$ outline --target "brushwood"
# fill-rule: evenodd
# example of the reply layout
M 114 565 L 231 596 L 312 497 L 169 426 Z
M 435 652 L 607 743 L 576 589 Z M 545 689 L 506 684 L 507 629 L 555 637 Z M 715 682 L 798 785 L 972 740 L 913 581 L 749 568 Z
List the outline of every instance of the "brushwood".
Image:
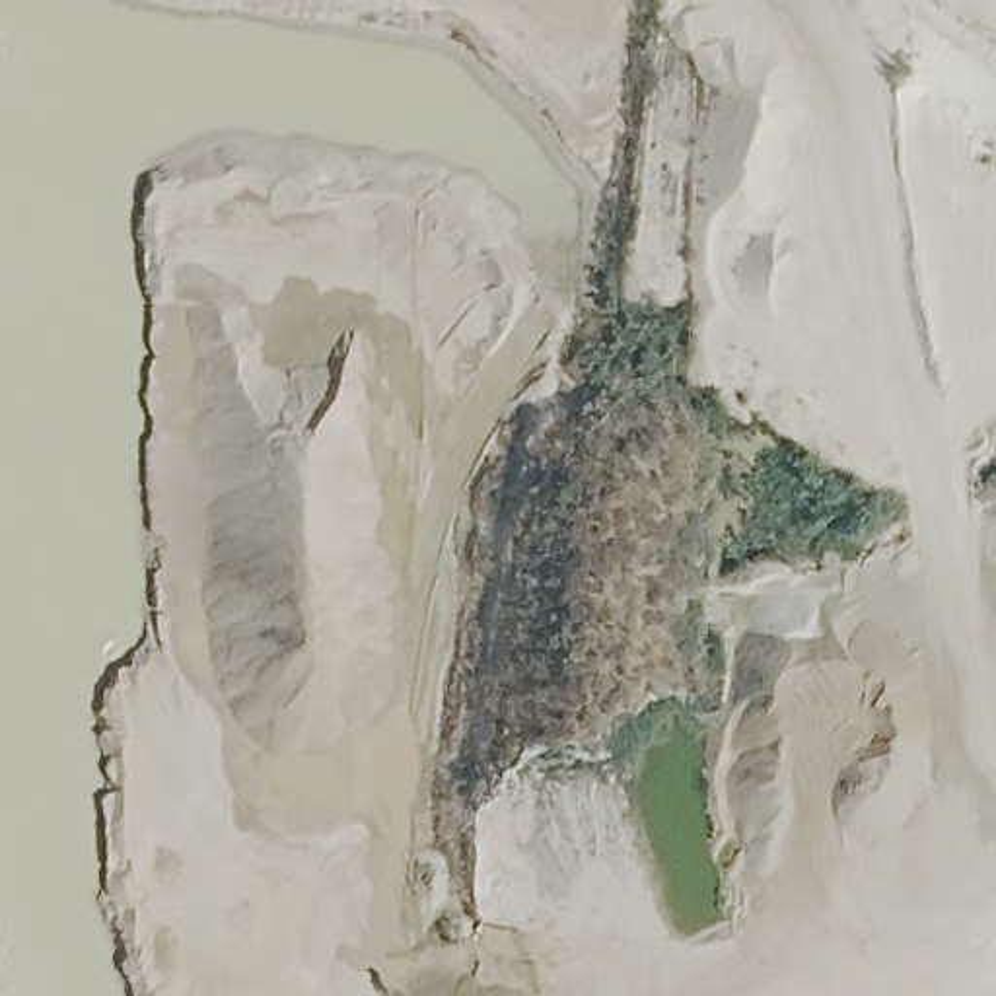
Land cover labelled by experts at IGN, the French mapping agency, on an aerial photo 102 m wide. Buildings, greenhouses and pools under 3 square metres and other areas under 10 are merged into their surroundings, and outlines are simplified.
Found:
M 646 770 L 646 759 L 658 747 L 681 735 L 704 739 L 708 731 L 696 720 L 704 712 L 720 712 L 724 700 L 724 638 L 712 630 L 712 623 L 704 623 L 704 603 L 696 599 L 685 607 L 685 615 L 665 615 L 661 626 L 673 630 L 673 642 L 685 658 L 689 696 L 661 696 L 615 728 L 607 743 L 615 759 L 615 778 L 626 790 Z
M 693 409 L 704 416 L 712 436 L 763 436 L 770 444 L 766 451 L 759 451 L 751 471 L 731 471 L 731 455 L 724 455 L 720 490 L 728 498 L 751 498 L 751 510 L 739 510 L 739 521 L 724 529 L 724 576 L 735 576 L 759 560 L 813 560 L 817 572 L 825 564 L 825 552 L 836 552 L 844 560 L 872 556 L 872 533 L 907 517 L 907 498 L 899 490 L 872 490 L 852 471 L 821 463 L 813 451 L 782 436 L 763 416 L 735 420 L 720 405 L 720 393 L 712 385 L 689 381 L 696 323 L 693 300 L 677 300 L 665 307 L 626 300 L 626 253 L 638 226 L 634 179 L 642 156 L 646 97 L 654 93 L 650 39 L 661 19 L 661 0 L 630 0 L 623 62 L 623 136 L 611 156 L 611 179 L 603 183 L 591 241 L 591 253 L 599 261 L 591 265 L 591 292 L 576 300 L 572 335 L 560 350 L 560 370 L 576 381 L 576 389 L 560 389 L 556 397 L 537 405 L 517 405 L 510 416 L 506 451 L 502 486 L 490 498 L 490 576 L 475 607 L 479 650 L 467 650 L 471 720 L 463 751 L 451 763 L 451 774 L 459 778 L 459 798 L 475 794 L 479 782 L 494 786 L 521 759 L 525 747 L 537 743 L 568 739 L 576 728 L 603 720 L 619 700 L 626 700 L 630 626 L 611 619 L 611 607 L 595 607 L 591 591 L 603 591 L 607 564 L 615 556 L 634 552 L 626 537 L 626 510 L 607 506 L 607 498 L 615 494 L 619 455 L 646 451 L 654 444 L 654 436 L 661 432 L 661 409 L 673 409 L 673 424 L 685 424 L 685 409 Z

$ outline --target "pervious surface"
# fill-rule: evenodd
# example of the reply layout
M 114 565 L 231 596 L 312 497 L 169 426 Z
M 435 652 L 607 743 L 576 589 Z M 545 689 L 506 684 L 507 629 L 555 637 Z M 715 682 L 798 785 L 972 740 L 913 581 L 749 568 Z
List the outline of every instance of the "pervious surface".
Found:
M 724 638 L 724 700 L 720 712 L 704 712 L 696 720 L 708 731 L 704 739 L 716 755 L 716 763 L 708 766 L 712 864 L 724 875 L 724 910 L 716 926 L 704 926 L 689 938 L 669 926 L 661 910 L 661 891 L 654 883 L 654 852 L 646 833 L 630 821 L 626 790 L 615 778 L 552 782 L 541 770 L 537 743 L 525 747 L 521 759 L 494 786 L 494 798 L 482 801 L 475 813 L 475 907 L 482 922 L 471 926 L 463 918 L 459 899 L 451 895 L 447 860 L 432 848 L 432 763 L 440 747 L 444 681 L 451 665 L 459 611 L 459 556 L 471 525 L 467 486 L 479 463 L 506 451 L 510 416 L 517 405 L 537 405 L 556 397 L 560 389 L 576 389 L 576 381 L 560 370 L 560 350 L 572 335 L 576 300 L 591 292 L 591 265 L 599 261 L 591 253 L 591 241 L 603 183 L 611 179 L 611 156 L 623 136 L 623 62 L 630 0 L 144 0 L 183 12 L 241 12 L 307 27 L 346 27 L 354 35 L 432 43 L 436 51 L 459 58 L 471 74 L 479 74 L 506 105 L 514 105 L 533 128 L 533 136 L 545 140 L 556 167 L 572 183 L 580 183 L 584 195 L 576 198 L 576 230 L 568 237 L 529 237 L 521 245 L 514 210 L 498 202 L 479 175 L 459 175 L 455 167 L 432 160 L 401 163 L 389 156 L 350 156 L 296 140 L 272 144 L 253 136 L 210 136 L 187 152 L 175 152 L 163 167 L 163 183 L 156 183 L 148 171 L 136 175 L 128 237 L 140 292 L 136 498 L 144 552 L 144 619 L 132 646 L 101 669 L 89 700 L 97 751 L 93 903 L 113 942 L 113 973 L 121 996 L 996 996 L 996 0 L 661 0 L 661 19 L 650 39 L 654 93 L 646 97 L 642 156 L 634 179 L 638 226 L 626 253 L 626 300 L 665 307 L 677 300 L 693 300 L 696 323 L 689 381 L 712 385 L 720 393 L 720 405 L 735 420 L 763 416 L 782 436 L 813 451 L 821 463 L 852 471 L 872 490 L 899 490 L 907 498 L 907 517 L 872 533 L 872 556 L 844 560 L 836 552 L 825 552 L 825 564 L 817 572 L 813 560 L 759 560 L 735 576 L 724 576 L 720 584 L 704 587 L 704 603 L 704 623 L 712 623 L 712 630 Z

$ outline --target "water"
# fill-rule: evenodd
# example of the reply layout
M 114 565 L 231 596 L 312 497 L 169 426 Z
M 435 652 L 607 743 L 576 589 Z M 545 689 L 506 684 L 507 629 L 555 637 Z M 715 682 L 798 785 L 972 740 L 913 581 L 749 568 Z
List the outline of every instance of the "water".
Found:
M 307 27 L 241 12 L 183 12 L 144 0 L 0 0 L 0 996 L 121 996 L 113 973 L 113 942 L 93 903 L 97 751 L 89 700 L 101 669 L 132 646 L 144 619 L 144 552 L 136 498 L 140 292 L 128 237 L 136 175 L 148 171 L 156 183 L 163 183 L 163 167 L 175 152 L 187 152 L 210 136 L 253 136 L 272 144 L 296 140 L 350 156 L 389 156 L 401 163 L 432 160 L 455 167 L 459 175 L 479 175 L 498 202 L 514 210 L 521 245 L 529 237 L 568 237 L 576 230 L 576 198 L 584 195 L 580 183 L 572 183 L 556 167 L 545 140 L 533 136 L 533 128 L 514 105 L 506 105 L 479 74 L 471 74 L 459 58 L 436 51 L 432 43 L 354 35 L 346 27 Z
M 724 875 L 712 864 L 708 766 L 716 763 L 716 755 L 704 739 L 681 735 L 658 747 L 646 759 L 646 770 L 626 790 L 630 821 L 646 833 L 654 852 L 654 883 L 661 891 L 661 910 L 669 926 L 689 938 L 704 926 L 716 926 L 724 910 Z

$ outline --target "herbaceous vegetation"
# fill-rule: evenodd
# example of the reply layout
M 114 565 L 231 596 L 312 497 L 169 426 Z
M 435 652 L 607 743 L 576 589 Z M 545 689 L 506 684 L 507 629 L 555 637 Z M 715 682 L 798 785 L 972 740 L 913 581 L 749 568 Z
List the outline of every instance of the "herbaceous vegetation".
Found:
M 673 630 L 661 626 L 665 615 L 685 615 L 685 607 L 696 599 L 704 603 L 704 587 L 720 584 L 724 576 L 724 529 L 739 521 L 739 510 L 751 510 L 751 498 L 728 498 L 720 490 L 724 455 L 731 455 L 731 471 L 751 471 L 759 451 L 766 451 L 770 444 L 763 436 L 712 436 L 704 416 L 693 409 L 685 409 L 685 424 L 673 424 L 673 409 L 661 409 L 661 432 L 654 436 L 654 444 L 646 451 L 619 455 L 615 494 L 607 498 L 607 506 L 626 510 L 626 537 L 634 552 L 615 556 L 607 564 L 603 591 L 591 591 L 595 607 L 611 607 L 611 619 L 630 626 L 626 700 L 619 700 L 603 720 L 576 728 L 568 739 L 537 743 L 541 770 L 552 782 L 615 778 L 615 759 L 607 743 L 615 728 L 661 696 L 689 696 L 685 658 L 673 642 Z
M 459 778 L 451 774 L 451 763 L 463 751 L 471 720 L 467 650 L 479 650 L 475 607 L 490 576 L 490 498 L 502 486 L 506 451 L 479 463 L 467 486 L 471 525 L 459 556 L 459 611 L 451 665 L 444 681 L 440 747 L 432 763 L 432 848 L 447 860 L 451 895 L 459 899 L 463 918 L 471 926 L 482 922 L 475 907 L 475 813 L 482 801 L 494 798 L 494 786 L 479 782 L 475 794 L 459 798 Z

